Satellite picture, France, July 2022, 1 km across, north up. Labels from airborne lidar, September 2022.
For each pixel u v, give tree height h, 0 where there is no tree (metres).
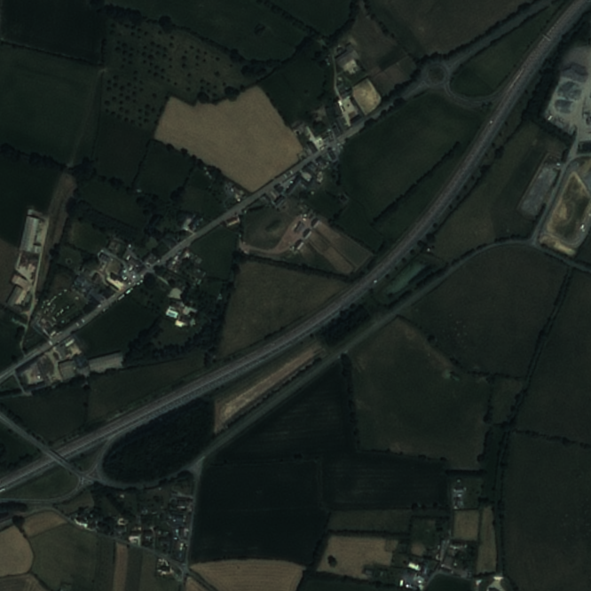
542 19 0
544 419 0
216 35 0
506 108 0
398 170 0
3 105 0
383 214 10
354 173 0
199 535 0
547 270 0
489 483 0
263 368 0
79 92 0
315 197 0
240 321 0
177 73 0
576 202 0
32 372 0
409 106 0
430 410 0
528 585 0
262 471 0
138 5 0
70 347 0
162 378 0
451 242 0
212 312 7
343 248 0
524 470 0
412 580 0
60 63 0
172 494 0
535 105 12
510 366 0
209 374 0
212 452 0
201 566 0
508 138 8
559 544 0
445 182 0
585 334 0
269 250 0
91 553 0
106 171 0
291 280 0
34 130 0
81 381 11
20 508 14
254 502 0
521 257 0
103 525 12
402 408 0
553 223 0
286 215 0
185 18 0
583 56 0
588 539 0
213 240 0
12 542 0
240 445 0
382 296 0
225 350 0
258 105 0
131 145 0
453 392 0
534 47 0
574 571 0
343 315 12
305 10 0
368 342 0
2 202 0
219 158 0
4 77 0
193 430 9
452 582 0
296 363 0
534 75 0
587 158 0
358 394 0
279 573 0
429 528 0
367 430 0
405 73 0
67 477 0
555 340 0
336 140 0
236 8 0
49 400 0
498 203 0
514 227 0
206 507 0
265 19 0
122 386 0
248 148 0
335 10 0
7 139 0
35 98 0
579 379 0
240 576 0
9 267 0
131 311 0
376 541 0
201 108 0
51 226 0
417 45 0
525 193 0
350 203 0
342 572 0
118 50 8
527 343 0
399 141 0
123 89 7
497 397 0
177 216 7
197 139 0
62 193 0
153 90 0
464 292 0
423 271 10
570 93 0
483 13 0
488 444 8
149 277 16
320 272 7
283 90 0
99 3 20
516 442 0
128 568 0
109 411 0
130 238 7
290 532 0
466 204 0
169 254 0
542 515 0
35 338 0
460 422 0
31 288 0
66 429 0
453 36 0
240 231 7
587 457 0
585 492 0
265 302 0
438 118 0
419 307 0
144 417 0
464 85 0
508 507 0
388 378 0
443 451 0
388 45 0
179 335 0
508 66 0
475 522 0
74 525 0
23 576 0
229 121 0
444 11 0
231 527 0
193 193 0
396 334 0
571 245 0
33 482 0
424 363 0
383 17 0
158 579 0
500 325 0
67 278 0
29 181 0
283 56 0
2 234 0
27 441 0
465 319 0
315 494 0
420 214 0
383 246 9
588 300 0
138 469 11
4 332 0
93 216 7
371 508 0
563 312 0
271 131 0
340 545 0
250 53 0
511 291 0
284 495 0
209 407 11
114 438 0
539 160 0
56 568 0
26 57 0
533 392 0
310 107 0
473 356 0
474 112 0
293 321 0
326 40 8
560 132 7
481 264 0
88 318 0
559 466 0
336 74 0
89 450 0
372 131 0
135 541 0
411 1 0
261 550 0
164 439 9
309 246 0
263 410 0
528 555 0
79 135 0
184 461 13
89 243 0
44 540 0
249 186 0
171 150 16
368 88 0
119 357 0
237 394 0
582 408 0
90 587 0
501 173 0
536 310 0
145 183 0
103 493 10
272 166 0
